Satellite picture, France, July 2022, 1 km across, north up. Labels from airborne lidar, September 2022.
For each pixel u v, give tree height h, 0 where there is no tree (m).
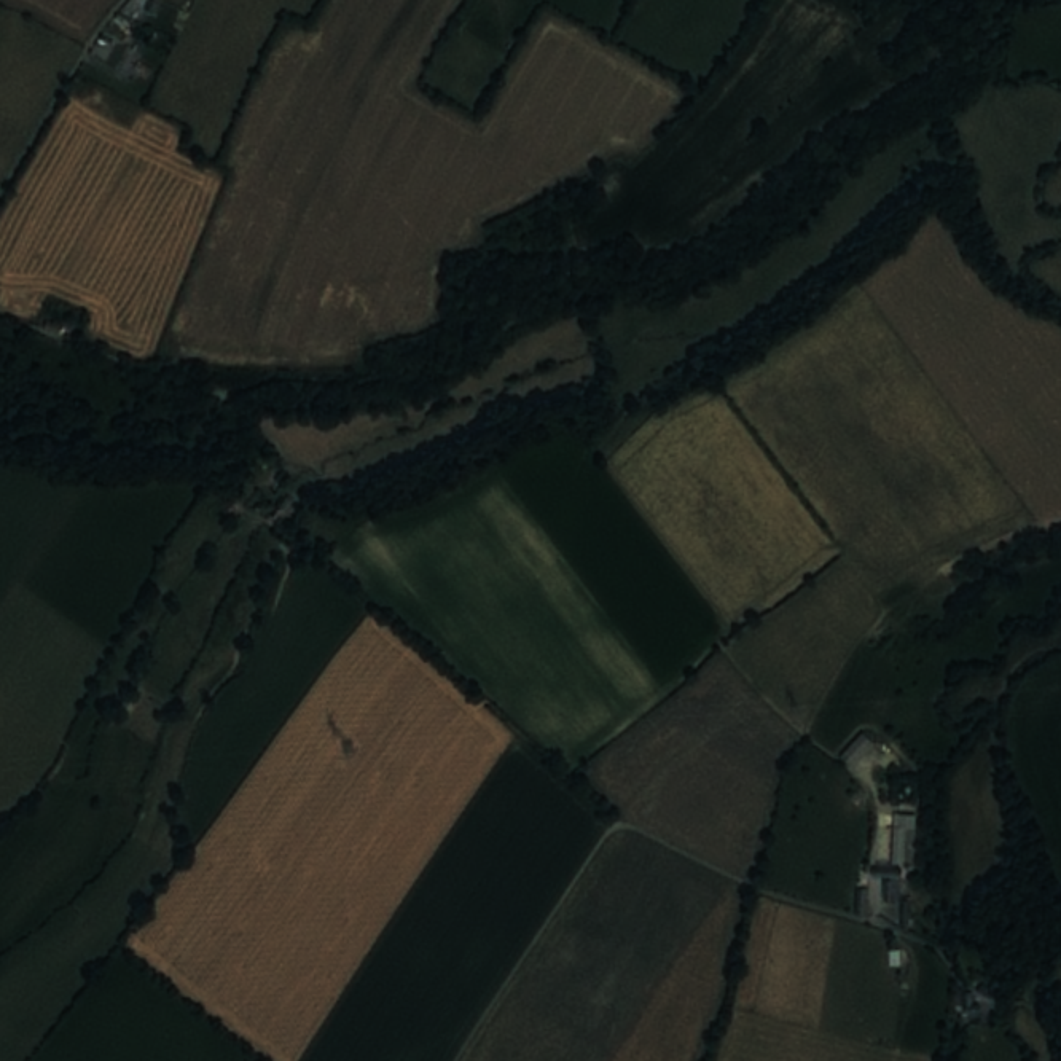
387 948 0
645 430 0
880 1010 0
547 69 0
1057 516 0
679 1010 0
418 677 0
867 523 0
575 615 0
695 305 0
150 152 0
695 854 0
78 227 0
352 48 0
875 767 0
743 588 0
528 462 0
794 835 0
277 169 0
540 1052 0
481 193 0
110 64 0
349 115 0
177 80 0
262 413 20
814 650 0
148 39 14
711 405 0
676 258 21
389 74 0
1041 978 10
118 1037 0
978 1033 0
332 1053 0
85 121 0
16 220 0
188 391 18
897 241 15
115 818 0
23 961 0
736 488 0
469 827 0
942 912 8
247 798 0
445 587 0
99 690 15
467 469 20
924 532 0
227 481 15
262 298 0
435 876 0
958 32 18
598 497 0
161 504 0
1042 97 0
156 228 0
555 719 0
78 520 0
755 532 0
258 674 0
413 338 7
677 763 0
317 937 0
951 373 0
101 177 0
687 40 0
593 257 18
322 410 26
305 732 0
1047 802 0
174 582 0
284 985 0
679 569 0
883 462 0
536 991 0
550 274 10
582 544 0
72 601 0
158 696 0
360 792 0
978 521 0
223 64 0
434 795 0
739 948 15
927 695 0
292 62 0
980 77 19
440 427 0
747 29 12
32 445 24
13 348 10
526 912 0
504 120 0
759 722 0
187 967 0
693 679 14
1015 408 0
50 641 0
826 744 0
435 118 0
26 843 0
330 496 11
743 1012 0
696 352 15
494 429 24
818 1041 0
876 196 0
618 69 0
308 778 0
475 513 0
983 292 0
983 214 24
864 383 0
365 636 0
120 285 0
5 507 0
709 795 0
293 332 0
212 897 0
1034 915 20
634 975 0
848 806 0
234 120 6
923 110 14
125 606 0
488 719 0
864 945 0
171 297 0
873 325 0
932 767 10
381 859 0
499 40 0
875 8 20
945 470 0
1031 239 0
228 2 0
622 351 0
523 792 0
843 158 17
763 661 0
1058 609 10
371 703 0
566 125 0
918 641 6
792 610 0
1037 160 0
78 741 0
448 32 8
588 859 0
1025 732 0
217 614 8
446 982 0
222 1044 0
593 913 0
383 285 0
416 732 0
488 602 0
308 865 0
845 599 0
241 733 0
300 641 0
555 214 6
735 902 0
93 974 19
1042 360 0
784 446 0
